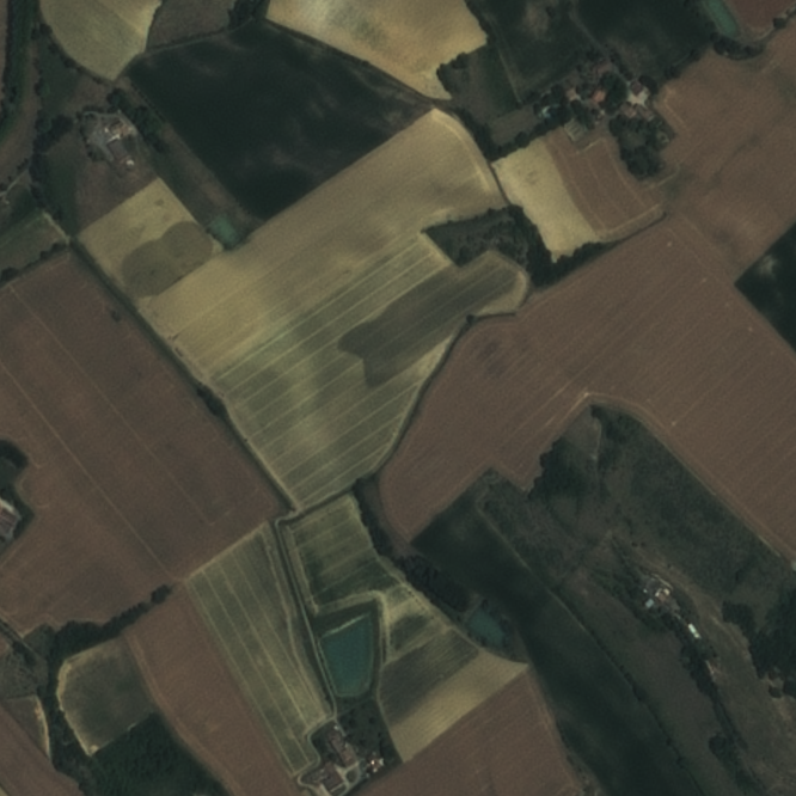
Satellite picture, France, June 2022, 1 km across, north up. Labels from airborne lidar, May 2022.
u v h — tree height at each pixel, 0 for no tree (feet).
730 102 0
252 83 0
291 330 0
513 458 0
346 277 0
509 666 0
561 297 0
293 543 0
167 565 0
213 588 0
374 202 0
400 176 0
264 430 0
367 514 46
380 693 0
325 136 0
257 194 0
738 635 0
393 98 0
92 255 0
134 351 0
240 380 0
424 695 0
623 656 0
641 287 0
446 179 0
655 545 0
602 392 0
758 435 0
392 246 0
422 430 0
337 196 0
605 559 0
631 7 0
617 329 0
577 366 0
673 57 0
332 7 0
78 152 0
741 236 0
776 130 0
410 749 0
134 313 0
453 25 0
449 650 0
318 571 0
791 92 0
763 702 0
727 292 0
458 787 0
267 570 0
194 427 0
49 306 0
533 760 0
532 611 0
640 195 0
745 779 24
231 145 0
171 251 0
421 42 0
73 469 0
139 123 71
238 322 0
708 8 0
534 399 0
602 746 0
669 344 0
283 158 0
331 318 0
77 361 0
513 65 0
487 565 0
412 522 0
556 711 0
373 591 0
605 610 0
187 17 0
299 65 0
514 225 21
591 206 0
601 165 0
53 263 0
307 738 0
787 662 40
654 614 25
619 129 32
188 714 0
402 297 0
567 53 0
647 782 0
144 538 0
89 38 0
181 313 0
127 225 0
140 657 0
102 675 0
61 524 0
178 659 0
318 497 0
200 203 0
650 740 0
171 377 0
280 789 0
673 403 0
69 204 0
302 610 0
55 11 0
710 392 0
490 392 0
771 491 0
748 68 0
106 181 0
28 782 0
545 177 0
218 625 0
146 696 0
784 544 0
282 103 0
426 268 0
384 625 0
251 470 0
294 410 0
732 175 0
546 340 0
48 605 0
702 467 0
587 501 0
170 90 0
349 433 0
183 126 0
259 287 0
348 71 0
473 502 0
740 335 0
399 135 0
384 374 0
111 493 0
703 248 0
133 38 0
